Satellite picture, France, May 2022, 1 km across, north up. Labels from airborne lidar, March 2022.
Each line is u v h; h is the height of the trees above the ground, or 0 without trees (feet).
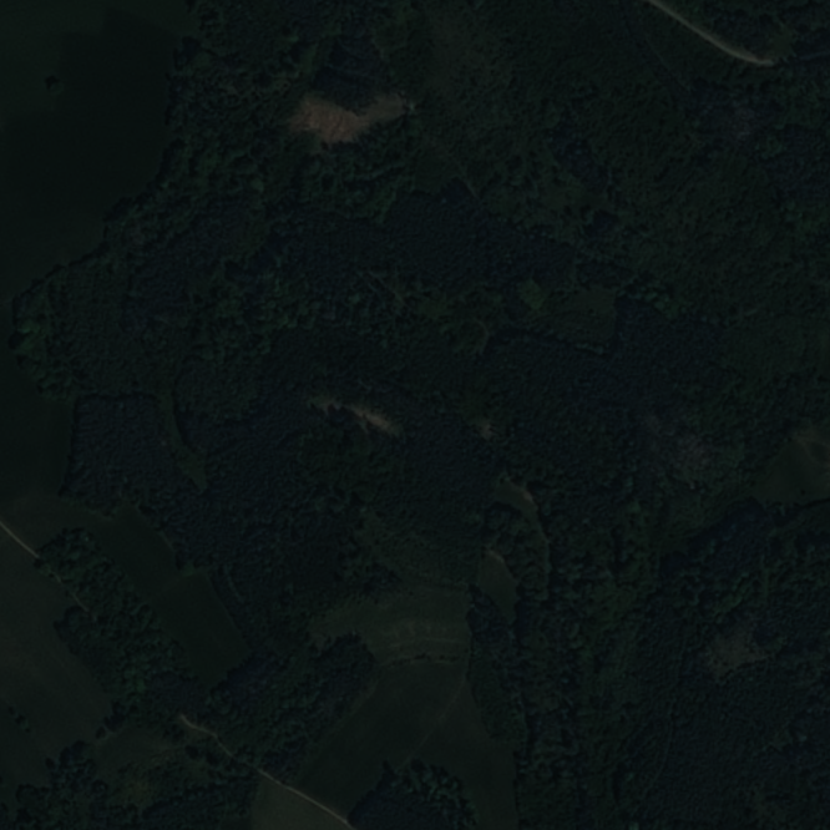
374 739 0
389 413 56
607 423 94
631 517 114
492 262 78
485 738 0
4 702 0
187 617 0
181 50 0
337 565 42
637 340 85
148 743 0
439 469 72
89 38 0
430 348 46
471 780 0
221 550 72
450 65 0
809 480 0
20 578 0
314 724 70
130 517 0
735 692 38
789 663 80
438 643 0
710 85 73
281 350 59
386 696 0
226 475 70
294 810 0
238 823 0
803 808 56
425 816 71
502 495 0
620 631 99
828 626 41
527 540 102
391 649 0
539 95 22
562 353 65
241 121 31
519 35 30
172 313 108
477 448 95
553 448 87
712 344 92
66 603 0
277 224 102
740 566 113
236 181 91
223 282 31
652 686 48
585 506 94
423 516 50
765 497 0
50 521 0
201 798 50
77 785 72
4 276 0
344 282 72
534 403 55
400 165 39
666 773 52
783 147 96
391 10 102
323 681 44
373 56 120
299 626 35
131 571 0
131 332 96
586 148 66
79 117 0
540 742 89
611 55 21
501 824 0
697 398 55
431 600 0
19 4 0
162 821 50
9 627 0
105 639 49
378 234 83
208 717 91
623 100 25
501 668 77
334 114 0
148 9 0
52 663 0
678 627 53
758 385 32
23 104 0
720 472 88
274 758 63
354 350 55
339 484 50
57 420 0
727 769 58
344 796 0
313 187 57
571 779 108
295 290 94
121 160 0
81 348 31
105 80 0
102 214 0
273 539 85
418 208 54
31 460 0
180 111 34
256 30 49
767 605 21
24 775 0
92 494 84
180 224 87
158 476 87
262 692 93
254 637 63
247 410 51
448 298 89
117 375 31
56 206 0
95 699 0
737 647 71
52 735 0
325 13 80
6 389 0
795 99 95
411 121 53
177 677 87
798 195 106
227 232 105
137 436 83
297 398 87
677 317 99
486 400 32
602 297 0
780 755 68
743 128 135
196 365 69
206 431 100
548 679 101
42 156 0
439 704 0
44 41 0
